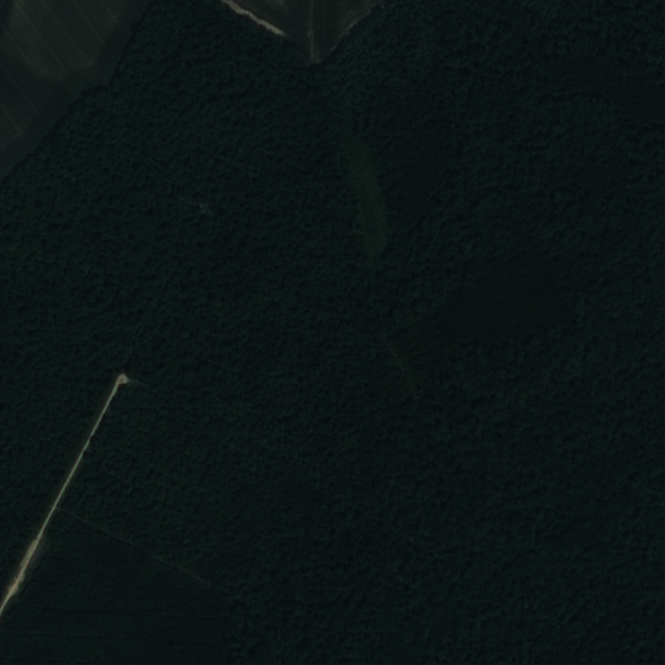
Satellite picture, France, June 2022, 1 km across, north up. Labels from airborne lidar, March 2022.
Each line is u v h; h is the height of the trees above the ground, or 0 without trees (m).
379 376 12
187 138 14
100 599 0
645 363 20
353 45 22
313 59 0
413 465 22
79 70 0
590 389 18
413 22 8
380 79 9
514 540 21
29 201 0
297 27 0
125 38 0
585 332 22
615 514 21
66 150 0
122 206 0
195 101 17
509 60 22
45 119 0
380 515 21
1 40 0
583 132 23
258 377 14
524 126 23
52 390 0
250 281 6
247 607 20
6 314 0
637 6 24
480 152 22
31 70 0
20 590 0
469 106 24
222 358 23
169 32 0
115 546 0
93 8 0
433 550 16
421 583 18
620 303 19
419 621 19
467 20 25
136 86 15
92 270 0
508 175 21
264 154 18
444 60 24
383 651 20
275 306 22
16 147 0
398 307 23
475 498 20
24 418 0
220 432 14
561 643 19
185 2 17
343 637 22
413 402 21
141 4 0
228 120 14
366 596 15
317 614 20
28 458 0
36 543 0
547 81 19
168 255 0
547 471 16
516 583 17
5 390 0
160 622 0
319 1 0
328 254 14
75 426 0
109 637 0
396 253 21
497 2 23
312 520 15
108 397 0
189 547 11
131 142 17
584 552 18
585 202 22
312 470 11
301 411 15
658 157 23
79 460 0
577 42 28
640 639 20
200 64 15
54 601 0
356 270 20
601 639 20
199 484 12
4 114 0
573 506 16
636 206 19
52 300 0
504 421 18
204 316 14
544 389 20
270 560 14
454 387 22
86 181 0
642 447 19
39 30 0
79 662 0
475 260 22
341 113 21
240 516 14
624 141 24
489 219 23
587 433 18
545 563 22
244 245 21
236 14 13
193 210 13
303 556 22
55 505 0
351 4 0
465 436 19
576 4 23
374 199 0
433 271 23
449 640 14
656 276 19
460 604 26
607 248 21
